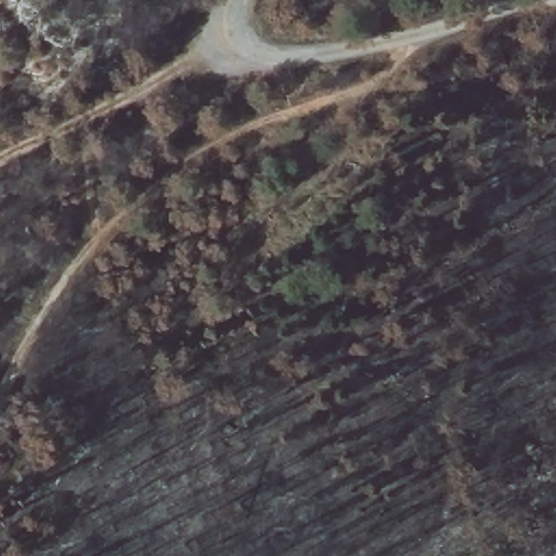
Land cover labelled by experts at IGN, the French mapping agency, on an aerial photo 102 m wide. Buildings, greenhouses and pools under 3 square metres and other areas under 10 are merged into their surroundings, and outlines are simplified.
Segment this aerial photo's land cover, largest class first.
<instances>
[{"label":"bare soil","instance_id":"1","mask_svg":"<svg viewBox=\"0 0 556 556\"><path fill-rule=\"evenodd\" d=\"M224 0H0V132H7L11 126H22L26 122V113L41 106V98L59 93L65 85L72 87V93L80 104H87L93 106L104 96L115 93L111 74L126 65V52H139L159 70L187 52L189 43L200 35L202 26L209 22V13ZM334 7H343L354 15L356 28L365 39L417 26L410 20L397 22V17L389 9V0H254L250 26L265 43L278 48H298L343 41L339 37V28H332L328 22ZM517 20V41L521 46L534 52H541L543 48L547 52H556V7L549 13L532 11L513 15ZM480 35L476 30L465 28L456 35L434 39L417 52H413L410 59H406V63L417 74L428 63L439 59L445 43H458L463 46V50L476 56L478 70L487 76L489 59L478 43ZM391 65V56L389 52H376L369 56L326 63L287 61L274 67L271 72H250L243 76L250 85L245 98L254 109L256 117L269 115L285 106L300 104L304 100L317 98L334 89L352 87L387 70ZM491 137L497 141V148L493 154H487V176L478 182L480 206L471 211V235L467 241L469 245H460L447 252V258H452L458 265V271L473 282V302L478 311L500 328V341L493 350L489 367H471L460 376L443 378L434 387L426 384L421 367L417 358L410 354V350L397 348L393 345V341H389L374 354L361 356L356 371L343 380H339L334 371H328L321 380L300 384L298 391H289L287 387H282L278 393H274L263 387H252L243 391L241 397H232L228 393L226 400L217 406H206L198 400V395L191 393L167 397L163 402L156 393H152L150 384L143 378H139L132 367L122 363V350L113 339L109 321L113 306L106 298L98 295L100 282L85 267L74 274L65 291L52 304L48 317L41 321L35 343L30 345L24 358L20 378L9 380V367L13 365V354L26 326L39 313L43 298L59 282L63 269L89 241L87 226L91 224V219L96 217L109 222L115 215L113 211L117 206L104 198L106 176H111L117 169V156L113 152L104 150L102 159H89L83 163H59L50 156V143H43L37 150L11 159L7 165L0 167V556H556V152L543 154L541 167L530 165L526 152L528 122L513 117H495L489 122Z\"/></svg>","mask_w":556,"mask_h":556},{"label":"coniferous trees","instance_id":"2","mask_svg":"<svg viewBox=\"0 0 556 556\"><path fill-rule=\"evenodd\" d=\"M389 9L397 17V22L410 20L417 26L441 20L445 22V26L465 22V28L476 30L480 35L478 43L489 59L487 76L478 70L476 56L463 50V46L458 43H445L439 59L428 63L417 74V78L426 83V89L421 91L376 89L365 98L328 104L319 111L291 117L287 122L267 124L258 130L245 132L235 141H228L226 146L209 150L202 156V161H185V154L202 146L204 135L209 130H213L217 124L230 130L256 117L254 109L245 98L250 85L243 76H224L209 72L174 78L165 87H159L152 93L143 96L139 102H132L109 115H100L93 122L76 124V130L67 132L65 137H52L54 126L80 113L87 104H80L72 93V87L65 85L59 93L41 98V106L26 113V122L22 126H11L7 132H0V150L9 148L13 141L24 139L28 132L35 130L43 132V143H50V156L59 163H83L89 159H102L104 150L113 152L117 156V169L111 176H106L104 198L117 206L124 209V224L117 228V232L109 235L100 243V248L91 254L85 267L100 282L98 295L106 298L113 306L109 321L113 339L122 350V363L132 367L139 378H143L150 384L152 393H156L163 402L167 397L191 393L198 395V400L206 406H217L226 400L228 393L232 397H241L243 391L252 387H263L274 393H278L282 387H287L289 391H298L300 384L321 380L328 371H334L339 380H343L356 371L361 356L374 354L389 341H393V345L397 348L410 350V354L417 358L421 367L426 384L434 387L443 378L460 376L471 367H489L493 350L500 341V328L478 311L473 302V282L458 271V265L452 258H447V252L460 245H469L467 241L471 235V211L480 206L478 182L487 176V154H493L497 148V141L491 137L489 122L495 117H513L528 122L526 152L530 165L541 167L543 154L556 152V52H547L543 48L541 52H534L521 46L517 41V20L513 15L489 22V7L476 9L471 0H389ZM328 22L332 28H339V37L343 41L365 39L356 28L354 15L343 7H334ZM126 65L111 74L115 93L126 91L132 85H141L143 78L159 70L139 52H126Z\"/></svg>","mask_w":556,"mask_h":556},{"label":"pervious surface","instance_id":"3","mask_svg":"<svg viewBox=\"0 0 556 556\"><path fill-rule=\"evenodd\" d=\"M254 0H224L209 13V22L202 26L200 35L189 43L187 52L159 70L143 78L141 85H132L126 91L115 93L104 96L93 106L87 104L80 113L54 126L52 137H65L67 132L76 130V124L93 122L100 115H109L132 102H139L143 96L152 93L159 87H165L174 78L209 72L224 76H243L250 72H271L274 67L287 61L326 63L369 56L376 52H389L391 56V65L387 70L352 87L334 89L317 98L304 100L300 104L285 106L269 115L256 117L230 130L217 124L213 130H209L204 135L202 146L185 154V161H202V156L209 150L226 146L228 141H235L245 132L258 130L267 124L287 122L291 117L319 111L328 104L365 98L376 89L421 91L426 89V83L417 78V74L406 63V59H410L413 52H417L434 39L456 35L465 28V22L445 26V22L441 20L365 39L343 41L298 48H278L265 43L250 26ZM476 9L489 7V22L513 15L532 11L549 13L556 7V0H471ZM43 132L35 130L28 132L24 139L13 141L9 148L0 150V167L7 165L11 159L37 150L43 143ZM115 215L109 222L96 217L91 219V224L87 226L89 241L63 269L59 282L43 298L39 313L26 326L13 354V365L9 367V380L20 378L24 358L30 345L35 343L41 321L48 317L52 304L65 291L74 274L85 267L91 254L100 248V243L109 235L117 232V228L124 224V209L117 206L113 211Z\"/></svg>","mask_w":556,"mask_h":556}]
</instances>
